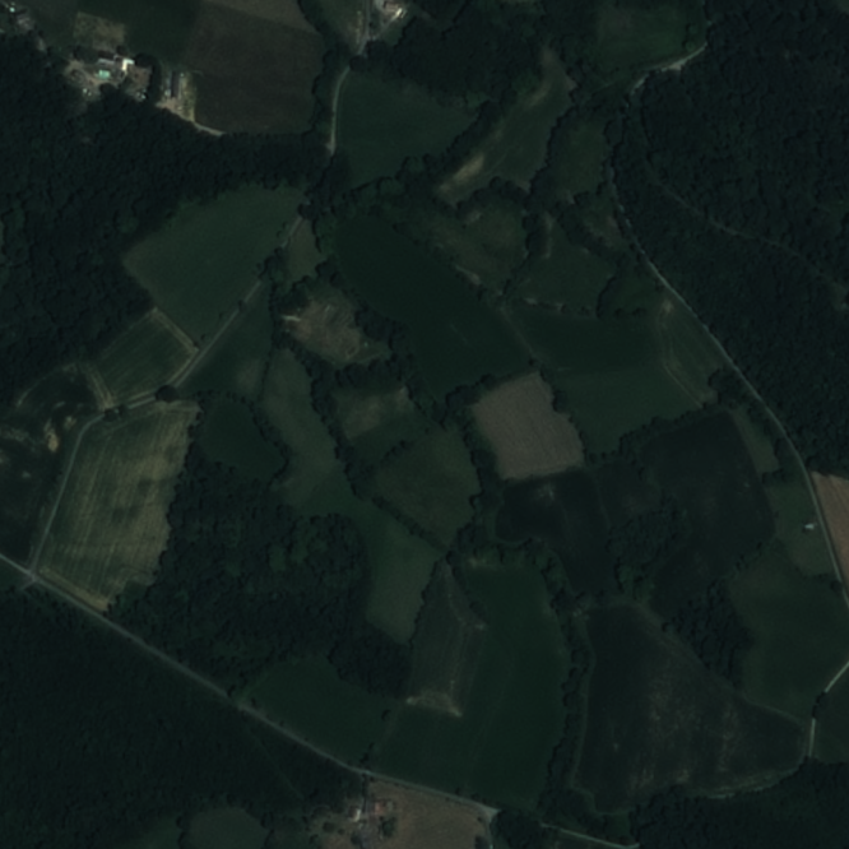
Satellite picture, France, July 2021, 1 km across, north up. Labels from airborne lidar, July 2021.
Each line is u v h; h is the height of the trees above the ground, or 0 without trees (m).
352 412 0
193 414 0
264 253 0
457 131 0
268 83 0
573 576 0
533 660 0
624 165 23
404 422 0
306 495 0
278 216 0
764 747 0
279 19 0
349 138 0
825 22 26
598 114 19
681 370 0
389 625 0
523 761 0
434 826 0
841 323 23
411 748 0
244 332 0
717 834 23
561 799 16
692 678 0
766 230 21
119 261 21
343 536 20
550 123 0
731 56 27
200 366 0
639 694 0
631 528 11
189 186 28
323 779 7
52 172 23
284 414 0
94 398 0
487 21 25
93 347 24
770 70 26
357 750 0
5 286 24
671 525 13
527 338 0
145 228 21
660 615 0
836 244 24
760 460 0
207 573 9
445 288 0
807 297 18
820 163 22
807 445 13
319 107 9
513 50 18
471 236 0
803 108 25
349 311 0
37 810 13
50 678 19
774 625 0
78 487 0
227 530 21
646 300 0
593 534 0
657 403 0
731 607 19
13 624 13
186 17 0
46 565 0
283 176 21
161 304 0
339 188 24
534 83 26
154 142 15
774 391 18
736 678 16
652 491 0
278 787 10
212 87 0
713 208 28
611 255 16
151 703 9
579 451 0
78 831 10
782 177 21
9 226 21
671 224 9
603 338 0
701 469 0
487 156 0
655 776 0
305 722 0
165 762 11
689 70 15
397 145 0
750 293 18
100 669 12
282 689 0
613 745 0
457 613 0
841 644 0
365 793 8
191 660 13
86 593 0
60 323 24
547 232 17
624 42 0
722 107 19
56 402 0
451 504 0
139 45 0
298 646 27
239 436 0
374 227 0
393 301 0
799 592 0
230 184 26
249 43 0
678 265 13
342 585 23
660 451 0
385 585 0
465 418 17
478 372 0
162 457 0
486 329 0
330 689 0
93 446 0
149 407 0
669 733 0
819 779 15
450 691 0
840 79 20
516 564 14
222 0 0
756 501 0
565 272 0
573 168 0
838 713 0
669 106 26
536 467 0
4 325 12
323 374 27
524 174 0
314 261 0
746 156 14
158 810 11
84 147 17
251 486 7
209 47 0
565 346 0
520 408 0
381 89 0
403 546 0
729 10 26
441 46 20
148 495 0
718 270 17
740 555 0
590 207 22
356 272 0
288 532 9
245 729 7
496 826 7
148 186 26
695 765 0
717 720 0
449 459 0
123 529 0
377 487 13
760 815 6
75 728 12
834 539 0
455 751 0
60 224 21
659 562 15
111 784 10
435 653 0
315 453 0
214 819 0
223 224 0
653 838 27
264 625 25
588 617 0
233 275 0
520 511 0
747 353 19
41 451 0
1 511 0
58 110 19
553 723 0
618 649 0
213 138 11
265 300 0
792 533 0
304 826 11
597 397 0
